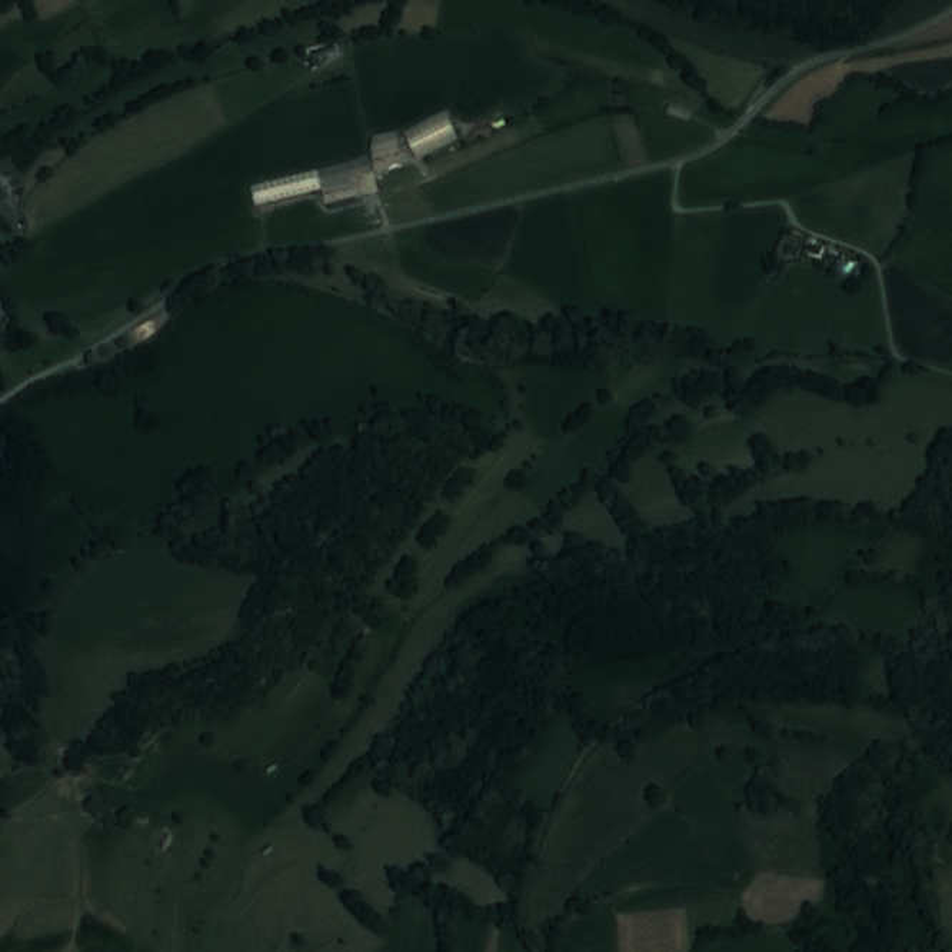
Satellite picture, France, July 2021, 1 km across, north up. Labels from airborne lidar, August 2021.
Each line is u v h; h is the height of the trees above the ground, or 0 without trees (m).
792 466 16
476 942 0
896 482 0
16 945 0
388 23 16
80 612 0
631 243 0
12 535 24
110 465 0
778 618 21
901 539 0
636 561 26
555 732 0
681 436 23
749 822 0
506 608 10
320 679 0
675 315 0
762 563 24
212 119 0
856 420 0
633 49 0
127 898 0
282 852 0
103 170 0
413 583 12
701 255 0
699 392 25
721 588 30
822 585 0
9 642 25
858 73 6
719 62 0
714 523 25
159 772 0
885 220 0
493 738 13
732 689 21
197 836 0
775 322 0
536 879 0
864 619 0
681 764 0
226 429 0
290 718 0
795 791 0
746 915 7
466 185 0
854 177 0
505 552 0
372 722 0
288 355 0
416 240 0
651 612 27
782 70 11
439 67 0
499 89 0
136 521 0
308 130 0
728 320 0
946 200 0
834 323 0
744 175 0
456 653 18
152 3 0
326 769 0
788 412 0
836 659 24
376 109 0
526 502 0
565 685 9
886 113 12
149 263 0
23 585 22
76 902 0
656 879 0
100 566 0
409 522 24
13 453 17
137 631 0
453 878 0
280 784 0
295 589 24
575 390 0
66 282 0
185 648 0
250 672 24
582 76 0
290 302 0
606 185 0
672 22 0
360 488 24
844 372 0
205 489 21
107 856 0
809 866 0
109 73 0
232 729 0
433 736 12
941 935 15
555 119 0
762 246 0
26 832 0
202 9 0
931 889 28
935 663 19
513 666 10
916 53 0
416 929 0
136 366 9
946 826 11
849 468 0
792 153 0
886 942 17
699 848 0
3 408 11
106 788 0
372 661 0
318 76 0
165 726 18
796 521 24
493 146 0
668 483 0
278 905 0
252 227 0
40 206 0
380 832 0
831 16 23
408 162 0
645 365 21
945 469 21
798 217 0
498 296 0
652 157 0
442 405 18
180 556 15
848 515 17
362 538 18
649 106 0
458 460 11
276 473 0
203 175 0
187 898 0
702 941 12
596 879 0
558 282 0
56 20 0
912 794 17
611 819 0
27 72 0
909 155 0
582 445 0
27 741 9
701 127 0
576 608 22
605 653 11
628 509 23
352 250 0
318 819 26
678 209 0
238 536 22
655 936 0
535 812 21
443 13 0
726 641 6
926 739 20
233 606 0
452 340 8
